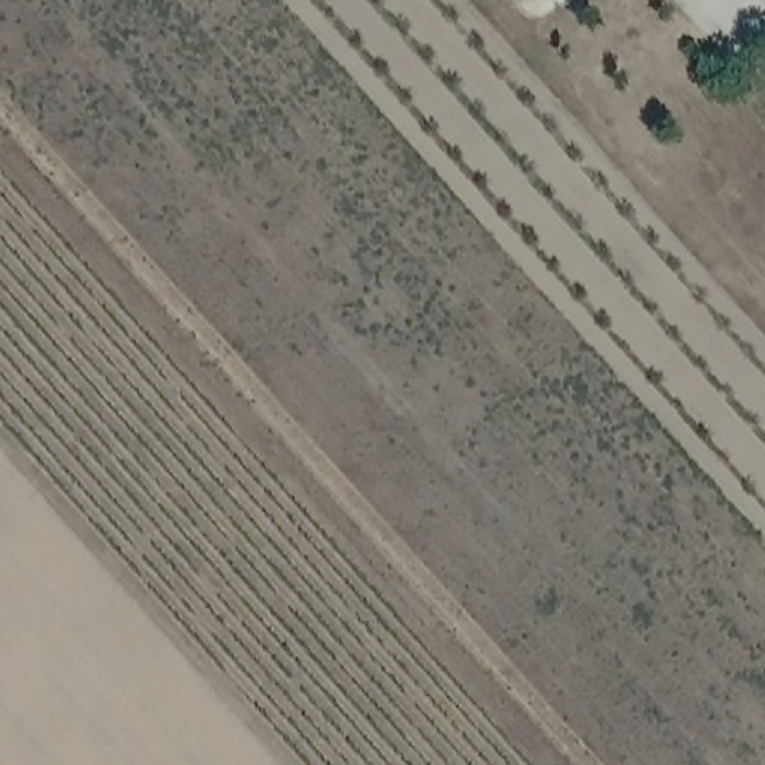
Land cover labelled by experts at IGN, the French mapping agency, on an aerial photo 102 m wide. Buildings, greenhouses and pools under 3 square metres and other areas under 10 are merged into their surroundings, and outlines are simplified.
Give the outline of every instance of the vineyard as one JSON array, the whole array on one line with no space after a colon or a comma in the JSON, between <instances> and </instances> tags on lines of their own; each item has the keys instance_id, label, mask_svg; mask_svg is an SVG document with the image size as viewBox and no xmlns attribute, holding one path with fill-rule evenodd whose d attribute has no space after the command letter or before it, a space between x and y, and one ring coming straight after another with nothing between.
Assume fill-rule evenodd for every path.
<instances>
[{"instance_id":1,"label":"vineyard","mask_svg":"<svg viewBox=\"0 0 765 765\"><path fill-rule=\"evenodd\" d=\"M604 765L583 744L583 735L553 711L553 705L538 693L538 687L517 669L517 663L460 607L457 595L430 574L421 556L406 547L403 538L394 535L391 523L383 520L383 514L362 496L362 490L338 469L338 463L275 400L275 394L260 383L260 377L239 359L239 353L215 332L215 326L206 317L197 314L191 299L149 260L137 239L111 215L108 206L99 203L99 197L84 185L84 179L69 167L63 152L36 131L36 126L0 87L0 445L6 448L9 463L30 484L36 484L36 490L45 496L48 508L63 520L63 526L96 556L102 571L111 574L111 580L120 583L123 592L137 601L146 619L176 645L185 663L209 684L209 690L221 702L227 702L233 717L266 747L266 753L278 765Z\"/></svg>"}]
</instances>

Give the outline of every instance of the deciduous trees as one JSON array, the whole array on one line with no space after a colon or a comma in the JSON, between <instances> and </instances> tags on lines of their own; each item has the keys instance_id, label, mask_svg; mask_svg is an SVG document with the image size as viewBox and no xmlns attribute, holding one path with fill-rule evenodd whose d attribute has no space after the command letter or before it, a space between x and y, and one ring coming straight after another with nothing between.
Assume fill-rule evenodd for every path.
<instances>
[{"instance_id":1,"label":"deciduous trees","mask_svg":"<svg viewBox=\"0 0 765 765\"><path fill-rule=\"evenodd\" d=\"M448 87L457 105L505 152L505 158L514 167L520 167L526 182L550 203L550 209L577 233L577 239L586 248L592 248L601 257L601 263L625 284L628 296L651 314L651 320L678 347L678 353L702 374L702 380L714 391L723 394L726 406L765 439L765 406L759 412L750 412L735 397L735 388L711 371L711 365L687 344L681 329L669 323L657 302L639 290L634 275L613 257L610 245L604 239L595 239L586 221L562 203L562 197L538 173L538 167L487 117L484 105L463 90L460 78L448 69L439 75L439 81Z\"/></svg>"},{"instance_id":2,"label":"deciduous trees","mask_svg":"<svg viewBox=\"0 0 765 765\"><path fill-rule=\"evenodd\" d=\"M741 490L753 496L759 505L765 505L765 475L759 481L750 481L738 469L729 451L717 445L711 430L684 406L681 397L669 391L663 374L639 359L639 353L610 323L610 314L592 305L586 287L577 284L559 266L559 257L544 251L535 227L511 212L508 200L502 200L490 188L487 176L463 158L460 146L454 146L439 131L436 120L430 120L415 105L412 93L391 75L388 63L371 54L371 48L362 42L362 33L353 30L326 0L311 0L311 6L335 27L335 33L347 39L350 48L383 78L385 90L397 96L397 102L421 126L421 131L430 134L430 140L481 191L481 197L496 209L496 215L505 218L505 224L514 233L520 233L520 239L553 272L553 278L583 305L583 311L607 332L607 338L625 353L625 359L702 439L702 445L723 463L723 469L741 484Z\"/></svg>"},{"instance_id":3,"label":"deciduous trees","mask_svg":"<svg viewBox=\"0 0 765 765\"><path fill-rule=\"evenodd\" d=\"M374 12L397 33L406 33L409 21L391 12L385 0L368 0Z\"/></svg>"},{"instance_id":4,"label":"deciduous trees","mask_svg":"<svg viewBox=\"0 0 765 765\"><path fill-rule=\"evenodd\" d=\"M478 60L496 78L502 78L502 84L553 134L556 146L565 149L568 158L580 158L580 146L565 137L559 123L541 111L535 96L514 81L514 75L487 51L481 33L472 30L469 48L478 54Z\"/></svg>"},{"instance_id":5,"label":"deciduous trees","mask_svg":"<svg viewBox=\"0 0 765 765\"><path fill-rule=\"evenodd\" d=\"M607 176L595 167L589 167L586 173L601 188L601 194L616 206L616 212L628 218L631 230L651 245L651 254L675 272L678 284L693 296L696 305L702 305L711 323L744 353L750 365L756 365L765 374L765 338L759 344L744 341L729 323L729 317L711 305L705 287L687 278L678 257L669 254L657 242L657 233L637 218L634 206L613 191Z\"/></svg>"},{"instance_id":6,"label":"deciduous trees","mask_svg":"<svg viewBox=\"0 0 765 765\"><path fill-rule=\"evenodd\" d=\"M601 24L601 12L589 0L565 0L577 21L586 27Z\"/></svg>"},{"instance_id":7,"label":"deciduous trees","mask_svg":"<svg viewBox=\"0 0 765 765\"><path fill-rule=\"evenodd\" d=\"M699 84L708 93L708 99L738 102L747 93L765 93L765 24L747 27L735 18L732 33L714 33L705 39L681 36L678 48L687 57L690 81Z\"/></svg>"}]
</instances>

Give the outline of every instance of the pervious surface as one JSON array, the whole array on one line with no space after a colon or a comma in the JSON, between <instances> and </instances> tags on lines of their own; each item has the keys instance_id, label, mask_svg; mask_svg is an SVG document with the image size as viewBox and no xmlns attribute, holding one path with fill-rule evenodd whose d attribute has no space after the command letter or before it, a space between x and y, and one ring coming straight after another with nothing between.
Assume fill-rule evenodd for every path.
<instances>
[{"instance_id":1,"label":"pervious surface","mask_svg":"<svg viewBox=\"0 0 765 765\"><path fill-rule=\"evenodd\" d=\"M765 0L669 0L693 18L693 27L705 39L714 33L732 33L735 18L747 27L765 24Z\"/></svg>"}]
</instances>

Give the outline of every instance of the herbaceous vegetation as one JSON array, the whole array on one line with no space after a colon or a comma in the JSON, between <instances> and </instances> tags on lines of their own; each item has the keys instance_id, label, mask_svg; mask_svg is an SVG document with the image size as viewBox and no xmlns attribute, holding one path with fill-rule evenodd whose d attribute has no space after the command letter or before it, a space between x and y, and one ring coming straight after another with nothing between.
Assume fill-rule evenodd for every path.
<instances>
[{"instance_id":1,"label":"herbaceous vegetation","mask_svg":"<svg viewBox=\"0 0 765 765\"><path fill-rule=\"evenodd\" d=\"M601 12L601 24L586 27L577 21L565 0L469 0L472 9L514 48L526 69L544 81L544 87L562 102L562 108L613 161L613 167L631 182L631 188L648 203L648 209L666 221L672 236L693 254L693 260L714 278L714 284L765 329L765 93L747 93L738 102L708 99L708 93L699 84L690 81L687 57L678 48L681 36L705 39L693 27L693 18L669 0L589 0Z\"/></svg>"}]
</instances>

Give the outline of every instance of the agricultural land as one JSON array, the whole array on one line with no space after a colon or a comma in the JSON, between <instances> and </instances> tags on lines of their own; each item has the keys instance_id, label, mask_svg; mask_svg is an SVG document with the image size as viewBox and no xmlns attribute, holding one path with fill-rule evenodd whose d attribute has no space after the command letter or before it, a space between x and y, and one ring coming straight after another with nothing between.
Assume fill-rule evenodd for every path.
<instances>
[{"instance_id":1,"label":"agricultural land","mask_svg":"<svg viewBox=\"0 0 765 765\"><path fill-rule=\"evenodd\" d=\"M403 538L406 547L421 556L430 574L457 595L460 607L517 663L517 669L538 687L538 693L553 705L553 711L583 735L583 744L604 765L765 765L765 526L753 526L732 499L726 499L723 487L690 457L690 451L675 439L675 433L634 394L634 388L616 377L607 359L574 329L571 320L565 320L556 302L511 260L511 254L496 242L496 236L478 221L478 215L451 191L451 185L436 173L436 167L430 167L421 158L421 152L397 131L397 126L323 48L323 42L302 24L302 18L290 12L284 0L0 0L0 87L36 126L36 131L63 152L69 167L84 179L84 185L99 197L99 203L108 206L111 215L137 239L149 260L191 299L197 314L206 317L215 326L215 332L239 353L239 359L260 377L260 383L275 394L275 400L338 463L338 469L362 490L362 496L383 514L383 520L391 523L394 535Z\"/></svg>"},{"instance_id":2,"label":"agricultural land","mask_svg":"<svg viewBox=\"0 0 765 765\"><path fill-rule=\"evenodd\" d=\"M45 496L36 490L36 484L30 484L9 463L6 448L0 445L0 765L278 765L266 753L266 747L233 717L227 702L221 702L209 690L209 684L185 663L176 645L146 619L137 601L123 592L120 583L111 580L111 574L102 571L96 556L63 526L63 520L48 508Z\"/></svg>"}]
</instances>

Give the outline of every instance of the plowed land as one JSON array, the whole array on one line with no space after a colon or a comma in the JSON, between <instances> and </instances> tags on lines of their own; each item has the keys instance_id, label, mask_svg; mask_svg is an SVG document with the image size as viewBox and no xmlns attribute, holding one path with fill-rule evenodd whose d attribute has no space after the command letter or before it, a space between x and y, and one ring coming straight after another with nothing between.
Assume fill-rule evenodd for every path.
<instances>
[{"instance_id":1,"label":"plowed land","mask_svg":"<svg viewBox=\"0 0 765 765\"><path fill-rule=\"evenodd\" d=\"M765 406L765 374L756 365L750 365L744 353L711 323L702 305L696 305L693 296L678 284L675 272L651 254L651 245L631 230L628 218L616 212L616 206L601 194L601 188L586 173L589 167L595 167L607 176L613 191L634 206L637 218L657 233L657 242L669 254L678 257L687 278L705 287L711 305L729 317L729 323L744 341L759 344L765 338L765 329L714 284L714 278L693 260L693 254L672 236L666 221L648 209L648 203L631 188L631 182L613 167L613 161L562 108L562 102L544 87L544 81L526 69L514 48L472 9L469 0L385 0L391 12L409 21L406 33L397 33L374 12L368 0L326 0L353 30L362 33L362 42L371 48L371 54L388 63L391 75L412 93L415 105L430 120L436 120L439 131L454 146L460 146L463 158L487 176L490 188L502 200L508 200L511 212L535 227L544 251L559 257L559 266L577 284L586 287L592 305L610 314L610 323L639 353L639 359L663 374L669 391L681 397L684 406L711 430L717 445L729 451L738 469L750 481L759 481L765 475L765 439L726 406L723 394L714 391L702 380L702 374L678 353L678 347L651 320L651 314L628 296L625 284L601 263L601 257L592 248L586 248L577 239L577 233L550 209L550 203L526 182L520 167L514 167L505 158L505 152L457 105L448 87L439 81L439 75L448 69L460 78L463 90L484 105L487 117L538 167L538 173L562 197L562 203L586 221L595 239L604 239L610 245L613 257L634 275L639 290L657 302L669 323L681 329L687 344L711 365L711 371L735 388L735 397L750 412L759 412ZM472 30L481 33L487 51L514 75L514 81L535 96L541 111L559 123L565 137L580 146L580 158L568 158L565 149L556 146L553 134L502 84L502 78L496 78L478 60L478 54L469 48Z\"/></svg>"},{"instance_id":2,"label":"plowed land","mask_svg":"<svg viewBox=\"0 0 765 765\"><path fill-rule=\"evenodd\" d=\"M625 359L625 353L607 338L607 332L583 311L583 305L553 278L553 272L520 239L520 233L514 233L505 224L505 218L496 215L496 209L481 197L481 191L430 140L430 134L421 131L421 126L397 102L397 96L385 90L383 78L350 48L347 39L335 33L335 27L311 6L311 0L284 0L290 12L302 18L302 24L323 42L323 48L397 126L397 131L421 152L421 158L430 167L436 167L436 173L451 185L451 191L478 215L478 221L496 236L496 242L511 254L511 260L556 302L565 320L571 320L574 329L607 359L616 377L634 388L634 394L675 433L675 439L690 451L690 457L723 487L726 499L732 499L753 526L765 526L765 505L759 505L753 496L741 490L741 484L723 469L723 463L702 445L702 439Z\"/></svg>"}]
</instances>

